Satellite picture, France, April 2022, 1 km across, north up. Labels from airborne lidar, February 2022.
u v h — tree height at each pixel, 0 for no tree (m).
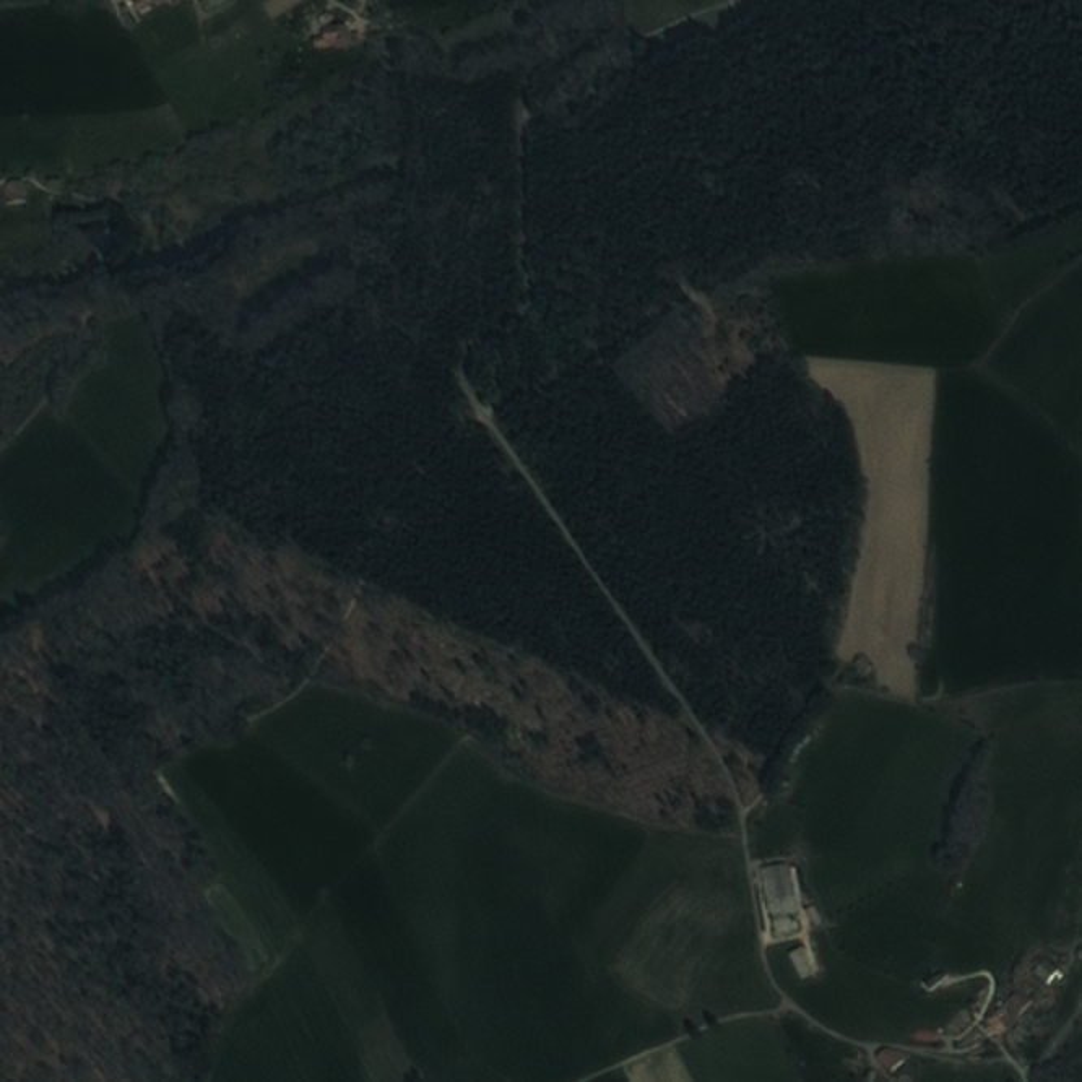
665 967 0
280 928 0
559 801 0
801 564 20
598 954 0
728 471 21
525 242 13
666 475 19
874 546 0
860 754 0
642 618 22
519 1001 0
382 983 0
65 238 13
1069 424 0
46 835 25
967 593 0
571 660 20
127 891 28
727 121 28
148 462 0
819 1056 0
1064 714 0
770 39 17
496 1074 0
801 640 22
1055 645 0
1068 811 0
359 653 0
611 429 21
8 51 0
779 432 24
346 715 0
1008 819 0
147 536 18
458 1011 0
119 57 0
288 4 0
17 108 0
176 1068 28
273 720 0
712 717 19
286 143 19
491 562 21
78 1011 29
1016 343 0
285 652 25
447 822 0
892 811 0
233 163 0
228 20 0
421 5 0
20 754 26
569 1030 0
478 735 16
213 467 20
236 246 27
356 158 24
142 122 0
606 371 18
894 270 0
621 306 15
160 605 26
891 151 20
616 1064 0
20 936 25
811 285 0
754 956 0
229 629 16
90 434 0
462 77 22
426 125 12
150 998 26
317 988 0
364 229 18
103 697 32
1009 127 21
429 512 21
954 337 0
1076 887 0
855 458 25
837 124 21
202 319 26
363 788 0
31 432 0
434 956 0
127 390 0
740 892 0
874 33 26
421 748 0
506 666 0
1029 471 0
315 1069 0
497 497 21
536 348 23
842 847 0
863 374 0
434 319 19
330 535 22
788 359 20
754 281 27
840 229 27
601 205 16
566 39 26
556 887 0
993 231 34
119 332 0
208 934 34
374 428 20
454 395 22
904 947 0
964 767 0
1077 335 0
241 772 0
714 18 0
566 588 17
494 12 8
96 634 31
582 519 20
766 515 22
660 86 22
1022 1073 0
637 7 0
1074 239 0
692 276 20
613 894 0
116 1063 28
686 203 20
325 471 23
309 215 26
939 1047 7
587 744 12
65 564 0
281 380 26
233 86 0
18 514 0
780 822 0
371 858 0
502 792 0
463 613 19
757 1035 0
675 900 0
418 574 21
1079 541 0
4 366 35
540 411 22
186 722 27
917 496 0
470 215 20
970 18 23
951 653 0
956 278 0
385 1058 0
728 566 19
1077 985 0
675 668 18
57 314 35
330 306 31
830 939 0
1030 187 21
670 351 29
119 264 20
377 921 0
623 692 19
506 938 0
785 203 24
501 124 14
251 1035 0
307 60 0
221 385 18
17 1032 27
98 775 30
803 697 22
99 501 0
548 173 19
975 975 0
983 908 0
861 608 0
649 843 0
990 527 0
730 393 25
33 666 31
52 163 0
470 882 0
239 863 0
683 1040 0
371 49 11
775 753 23
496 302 25
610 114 22
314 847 0
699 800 15
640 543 23
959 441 0
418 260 21
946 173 28
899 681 0
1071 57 25
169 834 34
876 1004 0
